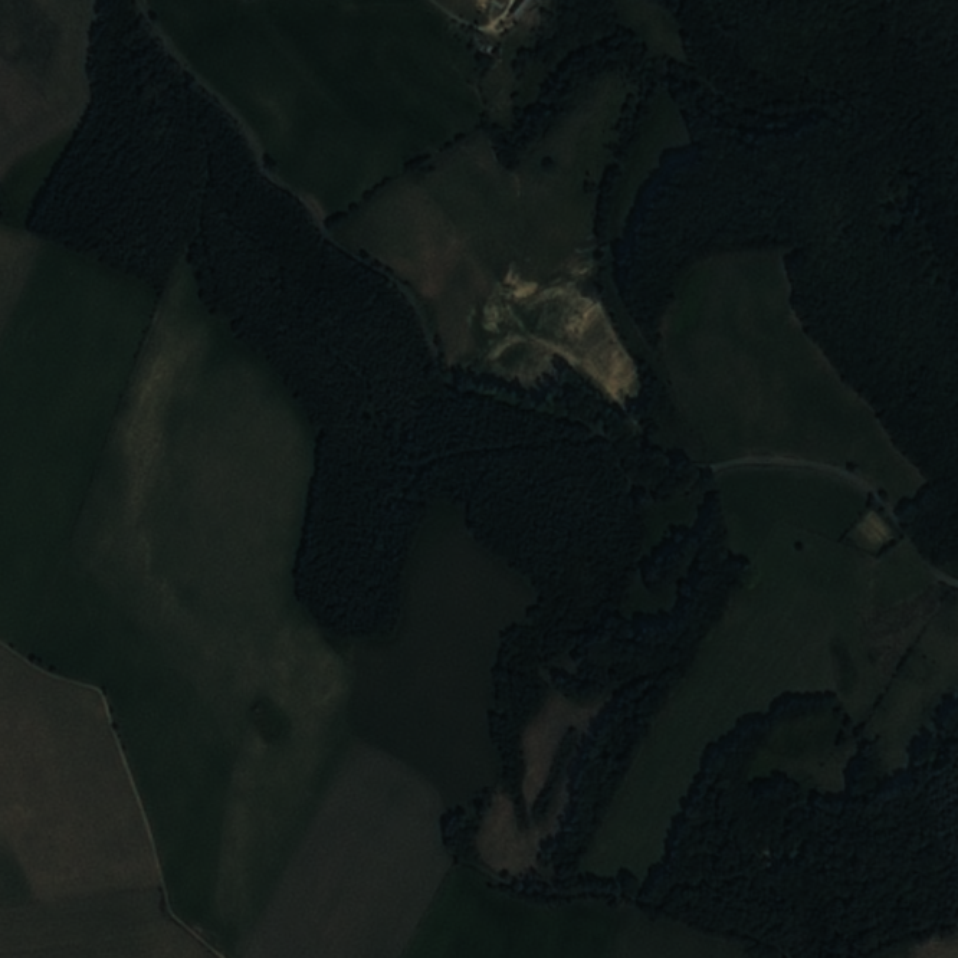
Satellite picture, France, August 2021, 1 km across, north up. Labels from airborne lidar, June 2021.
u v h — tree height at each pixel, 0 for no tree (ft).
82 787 0
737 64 47
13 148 0
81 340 0
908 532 48
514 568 35
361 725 0
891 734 0
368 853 0
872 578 0
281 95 0
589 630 23
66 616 0
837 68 89
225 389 0
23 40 0
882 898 55
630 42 60
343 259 57
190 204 44
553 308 0
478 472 36
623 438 79
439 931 0
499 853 0
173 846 0
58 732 0
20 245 0
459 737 0
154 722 0
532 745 0
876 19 98
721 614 73
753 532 0
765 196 59
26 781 0
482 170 0
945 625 0
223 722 0
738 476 0
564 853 41
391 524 54
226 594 0
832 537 0
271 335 48
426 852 0
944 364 85
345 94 0
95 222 56
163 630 0
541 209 0
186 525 0
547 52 74
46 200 58
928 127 83
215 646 0
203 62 0
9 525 0
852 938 49
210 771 0
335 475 55
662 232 76
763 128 40
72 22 0
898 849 75
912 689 0
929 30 65
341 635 31
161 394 0
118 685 0
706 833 61
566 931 0
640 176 0
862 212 75
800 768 0
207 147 28
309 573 47
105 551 0
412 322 43
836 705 45
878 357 98
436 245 0
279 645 0
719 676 0
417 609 0
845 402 0
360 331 46
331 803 0
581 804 70
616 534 64
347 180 0
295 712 0
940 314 77
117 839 0
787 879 73
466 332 0
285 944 0
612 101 0
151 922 0
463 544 0
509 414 49
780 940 56
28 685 0
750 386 0
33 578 0
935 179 72
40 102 0
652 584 67
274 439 0
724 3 66
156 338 0
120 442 0
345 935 0
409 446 62
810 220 52
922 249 104
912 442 77
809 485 0
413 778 0
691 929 29
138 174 51
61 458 0
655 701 76
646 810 0
